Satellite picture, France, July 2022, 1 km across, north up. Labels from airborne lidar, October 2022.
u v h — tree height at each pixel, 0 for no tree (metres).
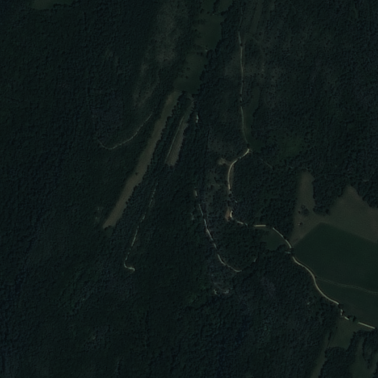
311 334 17
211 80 18
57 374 17
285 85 8
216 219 11
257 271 19
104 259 7
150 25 13
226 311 20
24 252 16
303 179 0
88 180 8
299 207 0
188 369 18
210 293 21
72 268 17
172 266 21
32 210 19
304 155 15
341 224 0
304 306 13
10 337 12
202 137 14
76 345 19
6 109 20
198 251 19
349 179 21
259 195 14
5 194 15
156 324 12
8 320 10
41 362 6
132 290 21
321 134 9
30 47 21
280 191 13
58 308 15
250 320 17
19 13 8
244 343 9
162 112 9
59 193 7
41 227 8
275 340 12
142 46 12
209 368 15
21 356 11
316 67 15
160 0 9
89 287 9
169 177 20
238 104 11
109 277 14
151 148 0
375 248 0
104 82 12
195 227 14
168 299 22
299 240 0
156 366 27
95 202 9
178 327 25
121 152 7
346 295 0
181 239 17
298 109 9
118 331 10
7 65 13
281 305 10
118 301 13
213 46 0
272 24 7
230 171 0
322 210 15
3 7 18
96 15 18
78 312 12
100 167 6
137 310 15
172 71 7
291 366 7
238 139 12
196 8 16
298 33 6
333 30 14
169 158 0
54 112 15
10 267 17
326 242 0
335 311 15
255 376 12
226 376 19
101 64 9
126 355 23
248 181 8
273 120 10
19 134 22
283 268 10
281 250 15
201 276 15
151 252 15
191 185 15
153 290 14
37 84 19
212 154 8
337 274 0
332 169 10
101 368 18
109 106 17
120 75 8
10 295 14
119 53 10
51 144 13
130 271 6
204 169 9
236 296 15
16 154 24
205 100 20
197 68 0
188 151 14
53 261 16
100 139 16
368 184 9
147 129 10
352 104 17
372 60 14
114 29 13
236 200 15
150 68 6
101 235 14
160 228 17
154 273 18
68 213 14
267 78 6
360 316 0
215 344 17
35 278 19
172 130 11
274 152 19
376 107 16
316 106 15
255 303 8
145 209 7
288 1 8
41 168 22
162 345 24
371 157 19
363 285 0
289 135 18
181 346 20
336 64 8
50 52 17
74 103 16
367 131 14
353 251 0
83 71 16
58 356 16
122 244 8
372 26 10
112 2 15
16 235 14
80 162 14
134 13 12
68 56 15
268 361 14
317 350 15
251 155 11
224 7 0
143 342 21
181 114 10
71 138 14
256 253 16
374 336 18
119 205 0
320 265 0
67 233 9
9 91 15
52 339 11
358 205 0
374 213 0
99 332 14
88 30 19
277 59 6
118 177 7
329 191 18
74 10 19
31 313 12
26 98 24
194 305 14
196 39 12
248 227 24
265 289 16
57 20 20
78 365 18
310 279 10
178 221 16
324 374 15
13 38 14
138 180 0
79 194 9
